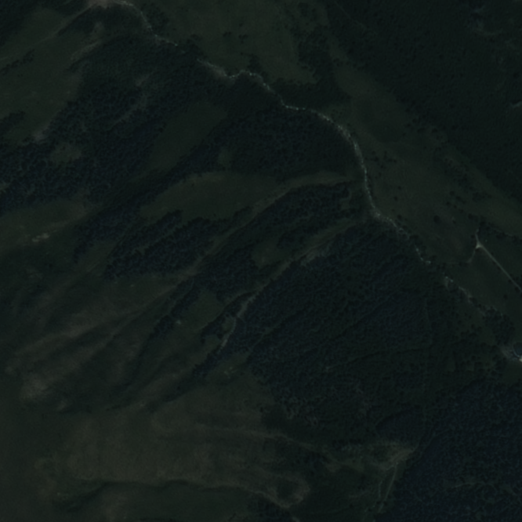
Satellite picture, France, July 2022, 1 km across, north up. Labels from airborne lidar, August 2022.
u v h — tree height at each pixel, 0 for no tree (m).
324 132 8
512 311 0
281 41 0
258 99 6
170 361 0
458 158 0
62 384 0
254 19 0
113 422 0
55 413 0
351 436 6
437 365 20
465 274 0
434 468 22
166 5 0
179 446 0
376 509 0
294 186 0
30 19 0
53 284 0
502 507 18
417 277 9
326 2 7
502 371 14
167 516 0
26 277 0
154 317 0
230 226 6
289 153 8
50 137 10
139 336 0
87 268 0
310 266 16
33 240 0
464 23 7
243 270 20
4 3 8
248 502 7
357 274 9
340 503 6
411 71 10
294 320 23
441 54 7
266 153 14
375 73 8
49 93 0
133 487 0
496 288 0
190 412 0
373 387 18
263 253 0
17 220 0
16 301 0
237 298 8
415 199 0
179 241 14
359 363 12
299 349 19
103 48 7
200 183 0
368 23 9
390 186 0
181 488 0
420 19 6
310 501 6
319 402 16
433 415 14
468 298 8
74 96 0
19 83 0
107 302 0
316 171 7
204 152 20
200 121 0
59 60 0
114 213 25
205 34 0
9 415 0
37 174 17
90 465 0
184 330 0
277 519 15
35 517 0
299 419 7
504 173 10
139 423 0
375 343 17
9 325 0
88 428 0
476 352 8
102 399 0
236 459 0
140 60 6
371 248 16
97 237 21
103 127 14
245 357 0
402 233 7
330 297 18
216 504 0
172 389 0
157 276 0
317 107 6
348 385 15
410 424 20
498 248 0
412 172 0
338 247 10
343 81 0
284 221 12
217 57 0
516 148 8
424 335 10
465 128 11
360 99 0
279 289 15
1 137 7
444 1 6
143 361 0
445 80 9
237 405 0
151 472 0
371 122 0
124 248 17
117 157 17
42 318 0
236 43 0
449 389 9
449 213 0
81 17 7
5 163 10
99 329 0
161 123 6
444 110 8
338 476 7
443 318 16
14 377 0
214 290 6
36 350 0
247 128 17
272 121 9
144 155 21
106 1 0
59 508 0
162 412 0
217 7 0
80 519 0
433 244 0
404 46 9
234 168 7
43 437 0
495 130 7
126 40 10
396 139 0
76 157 0
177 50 12
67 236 0
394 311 21
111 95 8
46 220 0
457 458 28
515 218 0
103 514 0
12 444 0
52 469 0
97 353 0
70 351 0
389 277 23
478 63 6
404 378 20
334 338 14
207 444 0
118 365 0
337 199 18
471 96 8
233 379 0
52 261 0
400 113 0
